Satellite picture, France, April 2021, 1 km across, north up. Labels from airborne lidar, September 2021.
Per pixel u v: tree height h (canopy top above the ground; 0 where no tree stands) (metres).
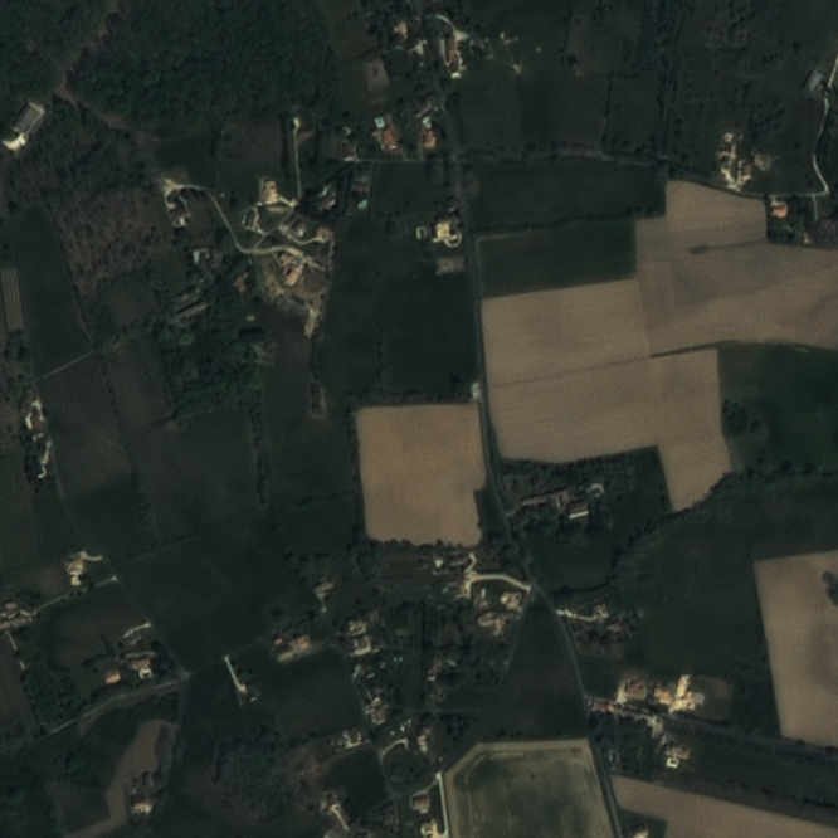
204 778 0
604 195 0
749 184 0
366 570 18
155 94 31
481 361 0
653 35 8
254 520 0
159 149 0
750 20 13
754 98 13
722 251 0
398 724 14
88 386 0
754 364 0
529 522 18
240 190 0
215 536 0
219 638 0
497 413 0
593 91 0
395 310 0
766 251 0
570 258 0
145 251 9
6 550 0
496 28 0
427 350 0
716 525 0
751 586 0
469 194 15
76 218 13
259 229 0
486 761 0
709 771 0
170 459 0
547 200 0
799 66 0
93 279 10
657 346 0
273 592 0
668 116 7
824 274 0
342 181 10
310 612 0
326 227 10
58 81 18
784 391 0
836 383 0
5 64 24
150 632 0
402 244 0
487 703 0
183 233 10
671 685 0
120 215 13
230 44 34
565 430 0
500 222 0
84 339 0
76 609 0
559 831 0
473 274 0
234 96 25
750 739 14
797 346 0
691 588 0
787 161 0
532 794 0
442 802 0
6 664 0
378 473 0
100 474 0
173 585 0
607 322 0
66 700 10
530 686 0
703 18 0
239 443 0
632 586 14
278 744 14
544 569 0
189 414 6
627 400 0
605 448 0
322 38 23
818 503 0
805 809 16
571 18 11
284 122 17
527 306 0
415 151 10
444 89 15
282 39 26
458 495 0
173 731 9
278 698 0
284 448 0
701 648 0
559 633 0
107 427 0
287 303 0
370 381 0
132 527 0
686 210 0
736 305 0
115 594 0
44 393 0
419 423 0
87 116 27
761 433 19
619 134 0
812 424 0
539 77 0
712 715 0
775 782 0
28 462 7
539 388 0
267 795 15
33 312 0
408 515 0
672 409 0
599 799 0
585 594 8
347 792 0
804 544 0
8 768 0
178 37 30
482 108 0
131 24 22
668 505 12
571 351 0
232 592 0
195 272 7
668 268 0
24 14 26
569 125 0
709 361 0
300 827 0
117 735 0
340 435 0
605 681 0
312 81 23
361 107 0
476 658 16
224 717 0
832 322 0
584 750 0
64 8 16
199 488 0
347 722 0
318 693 0
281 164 0
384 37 17
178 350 8
